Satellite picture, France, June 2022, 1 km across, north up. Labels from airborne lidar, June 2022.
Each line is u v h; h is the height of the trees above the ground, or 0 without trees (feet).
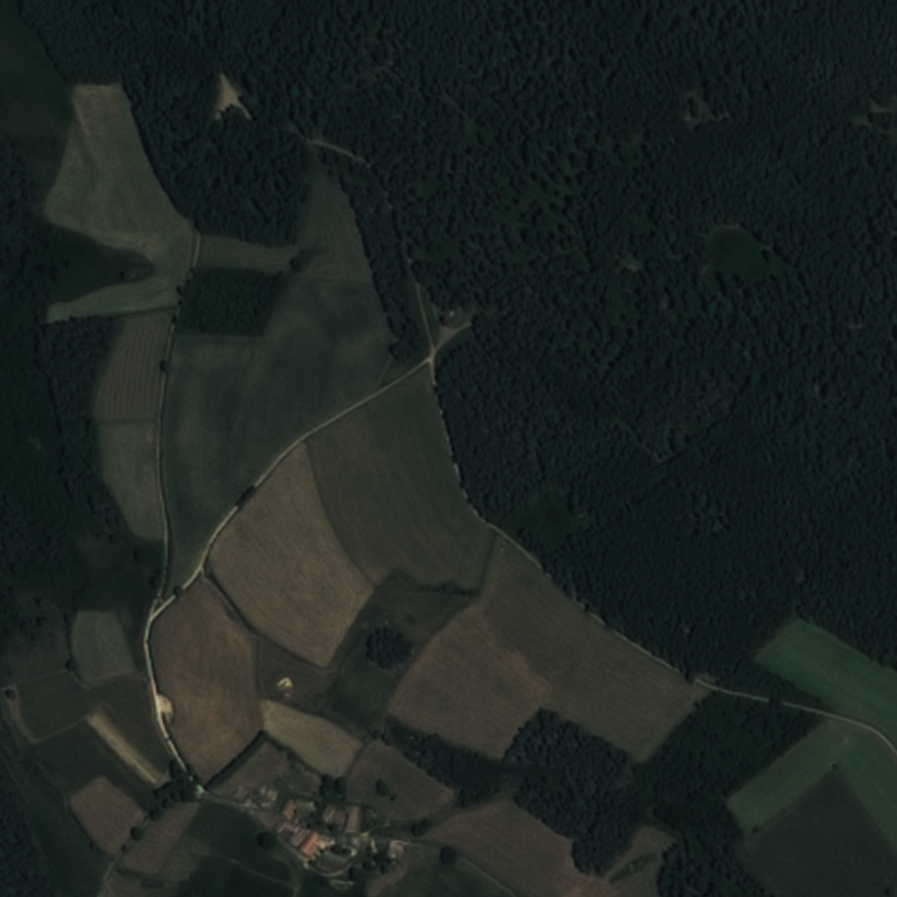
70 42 62
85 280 0
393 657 45
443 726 0
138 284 0
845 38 94
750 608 67
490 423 65
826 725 0
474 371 56
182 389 0
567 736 68
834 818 0
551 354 63
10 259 28
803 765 0
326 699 0
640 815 55
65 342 53
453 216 26
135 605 0
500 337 59
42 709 0
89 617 0
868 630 63
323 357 0
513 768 0
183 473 0
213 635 0
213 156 84
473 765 0
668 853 28
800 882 0
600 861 54
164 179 83
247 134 48
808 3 98
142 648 0
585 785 64
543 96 71
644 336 79
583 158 25
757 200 116
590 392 42
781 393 104
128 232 0
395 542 0
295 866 0
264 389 0
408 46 78
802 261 83
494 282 69
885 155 112
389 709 0
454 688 0
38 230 32
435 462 0
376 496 0
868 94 60
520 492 65
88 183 0
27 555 61
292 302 0
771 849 0
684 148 83
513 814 0
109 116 0
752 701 30
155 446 0
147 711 0
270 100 64
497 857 0
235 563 0
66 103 0
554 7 94
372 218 58
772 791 0
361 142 72
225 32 69
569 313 82
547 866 0
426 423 0
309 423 0
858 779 0
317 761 0
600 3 80
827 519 85
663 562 64
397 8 81
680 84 77
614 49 83
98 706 0
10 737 0
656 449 65
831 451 97
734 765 29
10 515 50
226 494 0
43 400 26
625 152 73
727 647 75
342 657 0
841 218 120
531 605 0
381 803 0
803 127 93
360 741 0
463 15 80
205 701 0
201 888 0
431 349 0
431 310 0
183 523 0
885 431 84
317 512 0
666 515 84
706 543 91
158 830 0
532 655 0
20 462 23
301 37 78
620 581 66
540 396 61
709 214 87
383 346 0
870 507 94
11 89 0
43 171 0
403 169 68
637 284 34
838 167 114
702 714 25
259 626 0
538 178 61
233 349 0
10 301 25
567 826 57
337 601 0
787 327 83
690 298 90
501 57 87
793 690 60
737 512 79
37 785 0
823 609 79
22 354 27
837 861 0
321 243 0
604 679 0
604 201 102
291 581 0
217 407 0
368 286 0
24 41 0
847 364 95
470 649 0
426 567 0
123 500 0
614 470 64
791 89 87
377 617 0
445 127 66
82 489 40
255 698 0
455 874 0
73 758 0
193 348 0
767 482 85
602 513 72
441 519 0
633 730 0
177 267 0
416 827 39
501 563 0
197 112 54
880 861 0
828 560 81
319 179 0
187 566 0
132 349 0
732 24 39
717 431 66
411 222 52
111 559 0
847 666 0
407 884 0
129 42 80
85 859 0
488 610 0
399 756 0
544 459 58
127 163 0
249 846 0
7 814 67
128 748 0
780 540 89
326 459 0
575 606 0
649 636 63
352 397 0
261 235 91
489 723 0
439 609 0
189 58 76
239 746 0
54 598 0
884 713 0
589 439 74
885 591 83
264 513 0
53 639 0
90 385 59
